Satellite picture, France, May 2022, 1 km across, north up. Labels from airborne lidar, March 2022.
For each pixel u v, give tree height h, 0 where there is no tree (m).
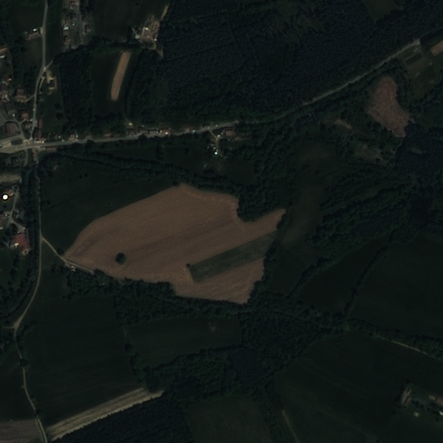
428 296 0
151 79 19
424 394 0
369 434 0
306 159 0
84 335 0
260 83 21
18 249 0
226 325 0
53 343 0
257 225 0
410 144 18
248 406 0
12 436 0
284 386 0
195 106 27
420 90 0
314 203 0
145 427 14
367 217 19
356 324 12
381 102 0
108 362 0
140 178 17
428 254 0
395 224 22
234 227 0
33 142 0
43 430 0
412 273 0
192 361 20
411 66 0
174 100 18
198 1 19
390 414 0
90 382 0
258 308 10
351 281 0
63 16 0
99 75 0
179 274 0
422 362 0
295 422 0
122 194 0
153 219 0
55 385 0
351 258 0
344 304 0
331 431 0
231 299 0
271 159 21
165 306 7
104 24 0
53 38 0
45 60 0
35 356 0
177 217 0
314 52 24
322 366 0
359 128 0
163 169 15
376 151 0
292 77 24
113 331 0
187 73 16
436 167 24
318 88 25
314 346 0
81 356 0
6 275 0
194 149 0
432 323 0
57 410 0
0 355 21
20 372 0
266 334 0
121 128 21
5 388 0
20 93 0
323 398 0
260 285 15
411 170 18
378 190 0
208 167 0
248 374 19
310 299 0
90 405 0
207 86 16
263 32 23
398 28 24
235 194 15
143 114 34
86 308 0
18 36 0
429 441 0
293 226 0
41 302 0
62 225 0
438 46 0
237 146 0
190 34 14
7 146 0
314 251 0
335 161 0
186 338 0
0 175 0
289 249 0
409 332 0
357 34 24
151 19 0
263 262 0
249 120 22
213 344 0
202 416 0
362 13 23
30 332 0
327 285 0
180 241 0
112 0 0
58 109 16
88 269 0
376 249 0
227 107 20
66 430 0
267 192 15
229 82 18
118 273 0
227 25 16
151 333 0
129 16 0
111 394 0
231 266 0
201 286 0
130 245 0
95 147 21
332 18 23
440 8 26
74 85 15
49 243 0
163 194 0
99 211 0
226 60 16
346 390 0
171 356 0
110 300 0
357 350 0
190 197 0
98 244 0
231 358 18
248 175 0
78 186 0
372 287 0
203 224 0
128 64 0
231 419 0
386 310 0
